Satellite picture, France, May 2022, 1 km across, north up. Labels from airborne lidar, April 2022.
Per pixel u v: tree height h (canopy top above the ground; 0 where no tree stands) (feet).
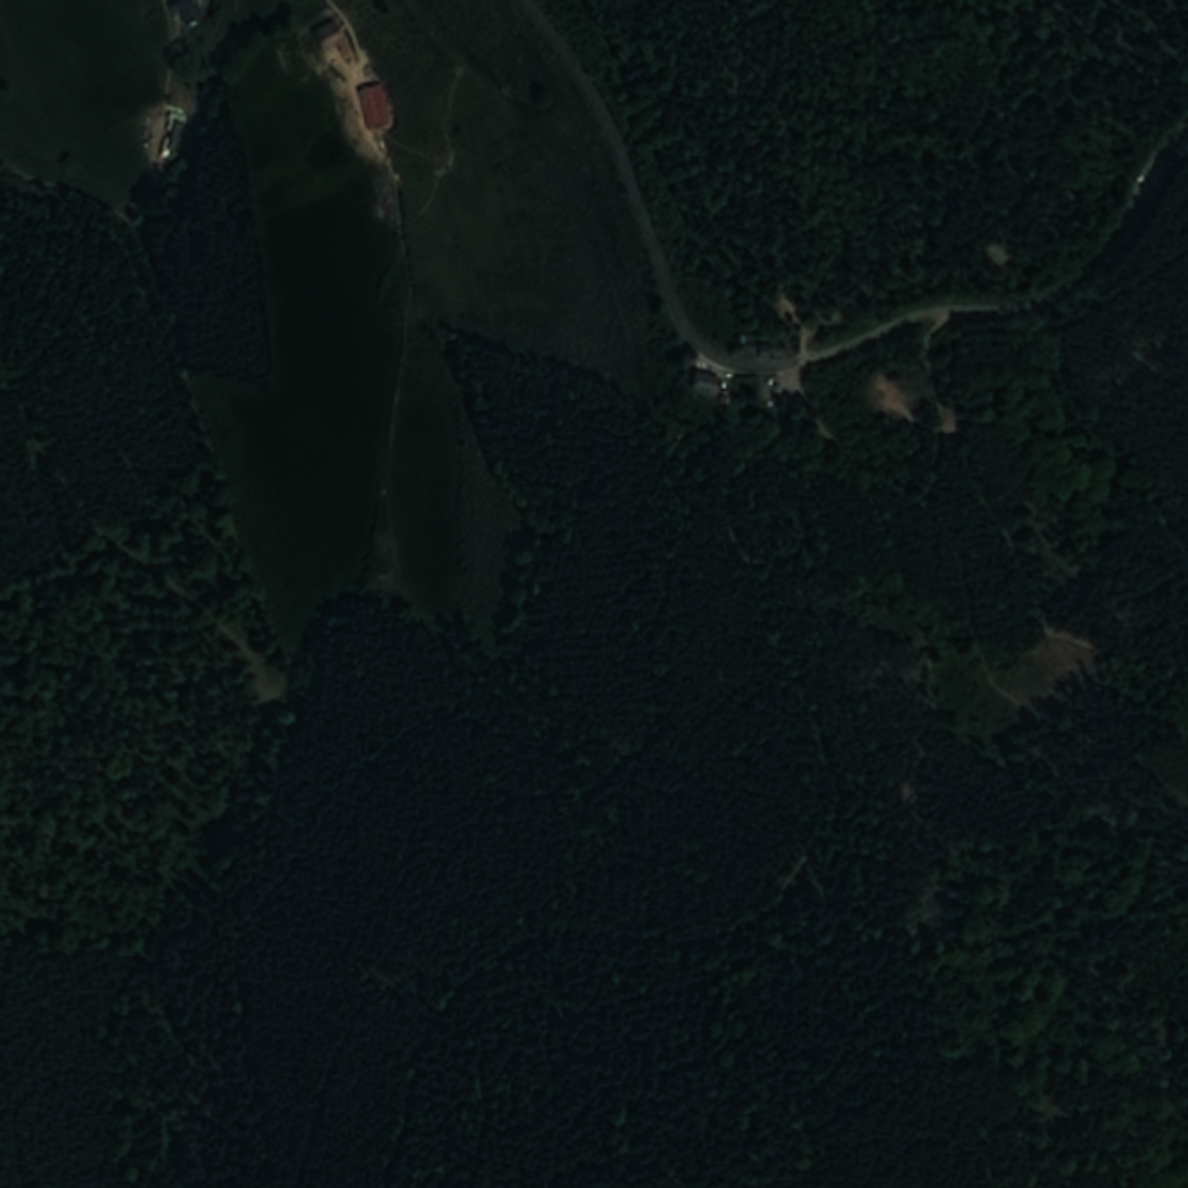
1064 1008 22
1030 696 0
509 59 0
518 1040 70
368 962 86
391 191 0
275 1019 81
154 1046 102
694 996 74
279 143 0
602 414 80
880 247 102
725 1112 94
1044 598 52
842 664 73
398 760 73
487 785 78
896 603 47
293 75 0
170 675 107
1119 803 73
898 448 26
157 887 89
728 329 0
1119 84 92
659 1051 78
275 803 95
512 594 77
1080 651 0
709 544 76
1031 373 74
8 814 105
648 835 68
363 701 81
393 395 0
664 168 67
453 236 0
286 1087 82
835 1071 81
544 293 0
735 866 77
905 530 56
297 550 0
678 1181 26
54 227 60
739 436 54
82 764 98
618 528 70
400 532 0
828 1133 81
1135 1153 61
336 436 0
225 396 0
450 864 77
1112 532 24
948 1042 48
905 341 51
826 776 86
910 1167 68
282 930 95
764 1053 83
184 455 93
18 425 93
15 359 78
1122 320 106
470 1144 83
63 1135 78
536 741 73
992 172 90
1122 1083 92
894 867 76
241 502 0
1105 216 44
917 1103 64
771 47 75
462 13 0
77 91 0
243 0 0
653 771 82
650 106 63
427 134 0
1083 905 74
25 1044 72
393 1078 80
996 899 65
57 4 0
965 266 110
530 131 0
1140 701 22
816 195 59
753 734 74
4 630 114
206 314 112
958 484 52
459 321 0
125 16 0
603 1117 67
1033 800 65
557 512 56
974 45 67
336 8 0
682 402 25
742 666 77
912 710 81
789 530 64
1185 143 73
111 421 86
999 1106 74
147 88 0
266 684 0
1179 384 102
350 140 0
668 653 83
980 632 49
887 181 89
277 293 0
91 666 102
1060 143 72
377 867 86
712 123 79
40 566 52
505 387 75
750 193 84
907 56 86
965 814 97
